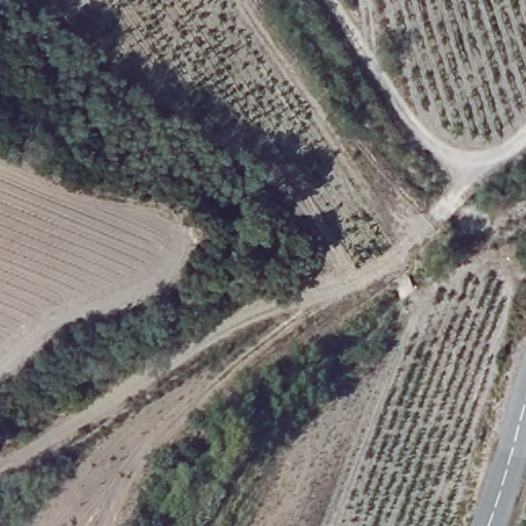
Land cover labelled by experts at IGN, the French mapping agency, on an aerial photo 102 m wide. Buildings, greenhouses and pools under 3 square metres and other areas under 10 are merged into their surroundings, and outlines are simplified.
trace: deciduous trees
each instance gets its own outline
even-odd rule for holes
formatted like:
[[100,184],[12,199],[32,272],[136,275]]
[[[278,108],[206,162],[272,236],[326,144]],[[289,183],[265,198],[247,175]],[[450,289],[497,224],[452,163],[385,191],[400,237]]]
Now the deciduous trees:
[[431,240],[425,251],[425,263],[415,273],[415,279],[423,281],[425,277],[448,279],[456,267],[450,242],[444,245],[436,238]]
[[341,331],[331,335],[318,335],[312,341],[300,343],[290,358],[281,358],[275,364],[269,364],[267,372],[261,374],[253,366],[240,370],[232,384],[224,388],[218,390],[203,409],[189,413],[181,440],[164,444],[146,456],[138,510],[134,512],[134,518],[123,522],[121,526],[214,526],[222,510],[228,505],[230,497],[236,493],[238,479],[242,475],[249,475],[255,464],[265,460],[267,454],[277,454],[284,448],[290,448],[294,440],[300,434],[304,434],[306,427],[321,415],[323,405],[351,395],[360,382],[355,378],[349,378],[349,372],[355,370],[360,360],[380,358],[382,353],[386,355],[388,353],[384,349],[388,325],[378,327],[380,312],[374,304],[366,308],[362,314],[347,321]]
[[160,284],[158,294],[146,298],[136,306],[111,310],[107,314],[90,312],[84,318],[66,323],[51,335],[49,341],[43,343],[43,347],[37,353],[33,353],[23,364],[23,368],[16,374],[0,378],[0,452],[14,450],[21,444],[29,444],[60,417],[60,413],[78,413],[86,409],[95,399],[109,392],[113,384],[119,384],[132,374],[140,374],[146,368],[146,360],[150,360],[154,353],[166,353],[173,358],[175,353],[183,351],[189,343],[201,341],[218,325],[222,325],[222,321],[226,321],[236,310],[255,300],[273,300],[279,306],[300,302],[302,292],[306,288],[314,288],[318,284],[318,275],[325,271],[327,255],[323,251],[310,251],[308,240],[300,234],[288,236],[281,232],[277,238],[269,242],[269,226],[273,226],[275,222],[275,208],[261,191],[261,187],[273,181],[273,175],[265,171],[263,164],[253,162],[249,152],[220,152],[201,138],[199,125],[193,125],[177,117],[158,117],[154,111],[154,103],[146,92],[142,92],[140,88],[132,88],[125,80],[117,80],[111,74],[99,70],[101,64],[105,64],[103,49],[92,49],[78,35],[60,29],[53,16],[45,10],[41,10],[37,16],[31,16],[27,12],[27,4],[16,4],[14,0],[0,0],[0,158],[16,166],[25,162],[37,175],[47,177],[51,183],[62,185],[68,191],[80,191],[99,199],[119,203],[123,203],[127,197],[140,201],[160,201],[166,203],[175,214],[187,210],[189,216],[183,224],[201,230],[201,240],[191,251],[179,281]]

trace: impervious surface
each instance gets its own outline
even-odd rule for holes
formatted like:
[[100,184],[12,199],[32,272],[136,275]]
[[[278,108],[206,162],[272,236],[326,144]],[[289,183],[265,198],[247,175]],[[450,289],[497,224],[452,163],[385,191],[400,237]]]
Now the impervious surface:
[[468,510],[468,516],[473,520],[471,526],[508,526],[526,471],[526,337],[512,349],[508,386],[503,399],[493,407],[495,423],[489,429],[483,448],[483,462],[479,466],[479,477],[475,485],[475,505],[473,510]]

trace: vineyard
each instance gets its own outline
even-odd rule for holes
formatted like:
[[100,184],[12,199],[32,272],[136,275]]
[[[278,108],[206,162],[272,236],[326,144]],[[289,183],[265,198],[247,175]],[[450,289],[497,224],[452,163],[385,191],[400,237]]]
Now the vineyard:
[[16,4],[27,4],[27,12],[31,16],[37,16],[41,10],[45,10],[53,16],[60,29],[78,35],[92,49],[103,49],[105,64],[101,64],[99,70],[111,74],[117,80],[125,80],[132,88],[140,88],[142,92],[146,92],[154,103],[154,111],[158,117],[177,117],[193,125],[199,125],[201,138],[220,152],[249,152],[253,162],[263,164],[265,171],[273,175],[273,181],[261,187],[261,191],[275,208],[275,222],[273,226],[269,226],[269,242],[277,238],[281,232],[288,236],[300,234],[308,240],[310,251],[323,251],[327,255],[331,247],[339,245],[347,255],[353,257],[355,269],[360,269],[372,257],[380,257],[390,247],[395,247],[407,234],[409,218],[417,214],[429,214],[431,205],[429,201],[417,199],[403,185],[399,175],[392,175],[384,168],[382,160],[376,158],[376,154],[372,152],[370,142],[358,138],[341,138],[335,132],[331,121],[327,119],[321,101],[310,92],[308,84],[302,80],[298,58],[290,58],[284,45],[271,37],[271,31],[265,27],[263,10],[259,8],[261,0],[14,0]]
[[183,224],[189,216],[187,210],[175,214],[166,203],[160,201],[140,201],[127,197],[123,203],[119,203],[99,199],[80,191],[68,191],[62,185],[51,183],[47,177],[37,175],[25,162],[16,166],[0,158],[0,378],[16,374],[23,368],[23,364],[33,353],[37,353],[43,347],[43,343],[49,341],[51,335],[66,323],[84,318],[90,312],[107,314],[111,310],[136,306],[146,298],[158,294],[160,284],[179,281],[191,251],[201,240],[201,230]]
[[493,146],[501,144],[503,138],[514,136],[526,123],[526,0],[329,0],[335,8],[335,14],[341,18],[353,47],[360,55],[368,60],[370,72],[376,76],[382,88],[388,90],[392,107],[403,119],[407,113],[413,111],[438,140],[452,148],[468,152],[485,150],[489,142]]
[[473,520],[468,516],[468,510],[473,510],[475,505],[475,485],[479,477],[479,466],[483,462],[483,448],[489,429],[495,423],[493,407],[503,399],[508,386],[512,349],[526,337],[526,269],[516,257],[516,247],[510,245],[510,236],[526,230],[526,199],[505,210],[489,208],[487,212],[489,216],[485,218],[485,228],[491,228],[491,236],[483,245],[481,253],[471,257],[471,263],[456,267],[448,279],[425,277],[423,281],[423,288],[413,288],[407,298],[399,296],[397,308],[403,331],[399,333],[397,345],[388,353],[386,355],[384,366],[372,378],[372,401],[364,407],[362,421],[366,421],[368,427],[364,434],[362,448],[355,458],[345,456],[345,460],[351,462],[351,471],[343,485],[337,483],[321,526],[471,526]]
[[166,392],[152,405],[146,405],[140,413],[136,413],[121,427],[117,427],[109,438],[97,442],[95,448],[86,452],[84,460],[80,460],[76,477],[64,483],[62,493],[45,503],[45,508],[35,516],[31,526],[121,526],[123,522],[134,518],[134,512],[138,510],[146,456],[164,444],[181,440],[189,413],[203,409],[218,390],[224,388],[216,374],[214,378],[203,378],[201,374],[189,378],[183,386]]

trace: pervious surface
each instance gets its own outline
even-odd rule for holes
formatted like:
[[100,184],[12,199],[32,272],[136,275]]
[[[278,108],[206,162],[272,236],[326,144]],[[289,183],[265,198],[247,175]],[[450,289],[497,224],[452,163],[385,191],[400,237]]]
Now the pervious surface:
[[360,269],[355,269],[353,257],[347,255],[339,245],[331,247],[327,255],[325,271],[318,275],[318,284],[314,288],[306,288],[302,292],[300,302],[279,306],[273,300],[255,300],[236,310],[226,321],[222,321],[222,325],[218,325],[201,341],[189,343],[183,351],[175,353],[173,358],[166,353],[154,353],[150,360],[146,360],[146,368],[140,374],[132,374],[119,384],[113,384],[109,392],[95,399],[86,409],[78,413],[60,413],[60,417],[29,444],[21,444],[14,450],[0,452],[0,475],[8,468],[27,464],[33,456],[39,456],[45,450],[58,450],[66,446],[72,440],[72,436],[86,423],[95,423],[103,417],[117,417],[123,411],[127,397],[138,395],[144,388],[154,388],[156,380],[164,378],[179,366],[199,355],[201,351],[222,343],[224,339],[230,339],[234,333],[255,323],[273,318],[275,327],[261,335],[253,345],[247,345],[245,351],[238,353],[234,360],[222,362],[222,368],[218,372],[203,370],[201,374],[203,378],[214,378],[216,374],[224,388],[232,384],[240,370],[253,366],[259,355],[265,355],[277,339],[294,331],[298,325],[302,325],[306,316],[318,314],[323,308],[343,300],[351,292],[364,290],[380,277],[399,284],[399,296],[407,298],[413,288],[405,267],[409,249],[417,242],[431,240],[436,238],[450,224],[448,218],[466,199],[475,183],[485,181],[503,162],[520,156],[526,148],[526,123],[514,136],[503,138],[501,144],[493,146],[489,142],[485,150],[468,152],[452,148],[438,140],[413,111],[407,113],[403,119],[415,134],[415,138],[421,142],[421,146],[427,148],[440,160],[442,168],[448,173],[448,187],[444,195],[431,205],[429,214],[417,214],[409,218],[407,234],[395,247],[390,247],[380,257],[372,257]]

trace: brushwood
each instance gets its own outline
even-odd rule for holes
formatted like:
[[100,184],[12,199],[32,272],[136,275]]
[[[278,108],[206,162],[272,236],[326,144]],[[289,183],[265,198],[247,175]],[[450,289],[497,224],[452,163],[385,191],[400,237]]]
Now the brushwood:
[[516,257],[526,269],[526,230],[510,236],[510,245],[516,247]]
[[310,92],[321,101],[327,119],[331,121],[335,132],[341,138],[358,138],[370,142],[372,152],[376,154],[376,158],[382,160],[384,168],[392,175],[399,175],[403,185],[417,199],[429,201],[431,205],[444,195],[448,187],[448,173],[442,168],[440,160],[427,148],[421,146],[421,142],[415,138],[415,134],[403,119],[392,107],[388,90],[382,88],[376,76],[370,72],[368,60],[360,55],[353,47],[341,18],[335,14],[335,8],[329,0],[261,0],[259,8],[263,10],[265,27],[271,31],[271,37],[284,45],[290,58],[298,58],[302,80],[308,84]]
[[45,508],[45,503],[62,493],[64,483],[76,477],[80,460],[84,460],[86,452],[95,448],[97,442],[109,438],[117,427],[121,427],[136,413],[140,413],[146,405],[152,405],[166,392],[183,386],[189,378],[201,374],[203,370],[218,372],[222,368],[222,362],[234,360],[238,353],[245,351],[247,345],[253,345],[261,335],[275,327],[273,318],[255,323],[234,333],[230,339],[224,339],[222,343],[201,351],[199,355],[179,366],[164,378],[156,380],[154,388],[144,388],[138,395],[127,397],[123,411],[117,417],[103,417],[95,423],[86,423],[72,436],[72,440],[66,446],[58,450],[45,450],[39,456],[33,456],[27,464],[8,468],[0,475],[0,526],[31,526],[35,516]]
[[526,148],[520,156],[503,162],[485,181],[485,199],[479,205],[479,210],[487,212],[489,208],[505,210],[526,199]]

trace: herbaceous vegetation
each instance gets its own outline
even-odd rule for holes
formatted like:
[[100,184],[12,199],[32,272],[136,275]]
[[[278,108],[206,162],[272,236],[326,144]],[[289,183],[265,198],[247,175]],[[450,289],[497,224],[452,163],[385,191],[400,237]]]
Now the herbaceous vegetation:
[[425,251],[431,240],[417,242],[409,249],[405,267],[413,288],[423,288],[423,281],[415,279],[415,273],[425,263]]
[[269,364],[275,364],[281,358],[290,358],[300,343],[312,341],[318,335],[331,335],[341,331],[347,321],[362,314],[366,308],[374,304],[380,312],[378,327],[388,325],[384,349],[388,353],[397,345],[399,333],[403,331],[397,308],[399,296],[399,284],[380,277],[364,290],[351,292],[343,300],[323,308],[318,314],[306,316],[302,325],[298,325],[294,331],[277,339],[265,355],[259,355],[253,366],[261,374],[267,372]]
[[450,224],[436,238],[444,245],[450,242],[456,267],[471,263],[471,257],[481,253],[483,245],[491,236],[491,228],[485,228],[485,218],[489,216],[487,212],[479,210],[479,205],[485,199],[485,181],[475,183],[466,199],[448,218]]
[[526,471],[508,526],[526,526]]
[[249,475],[242,475],[238,479],[236,493],[230,497],[228,505],[222,510],[214,526],[321,526],[337,483],[343,485],[351,471],[351,462],[345,460],[345,456],[355,458],[362,448],[364,434],[368,427],[366,421],[362,421],[364,407],[372,401],[372,378],[384,366],[386,355],[382,353],[380,358],[360,360],[355,370],[349,372],[349,378],[355,378],[360,382],[351,395],[323,405],[321,415],[306,427],[304,434],[300,434],[294,440],[290,448],[284,448],[277,454],[267,454],[265,460],[255,464]]

